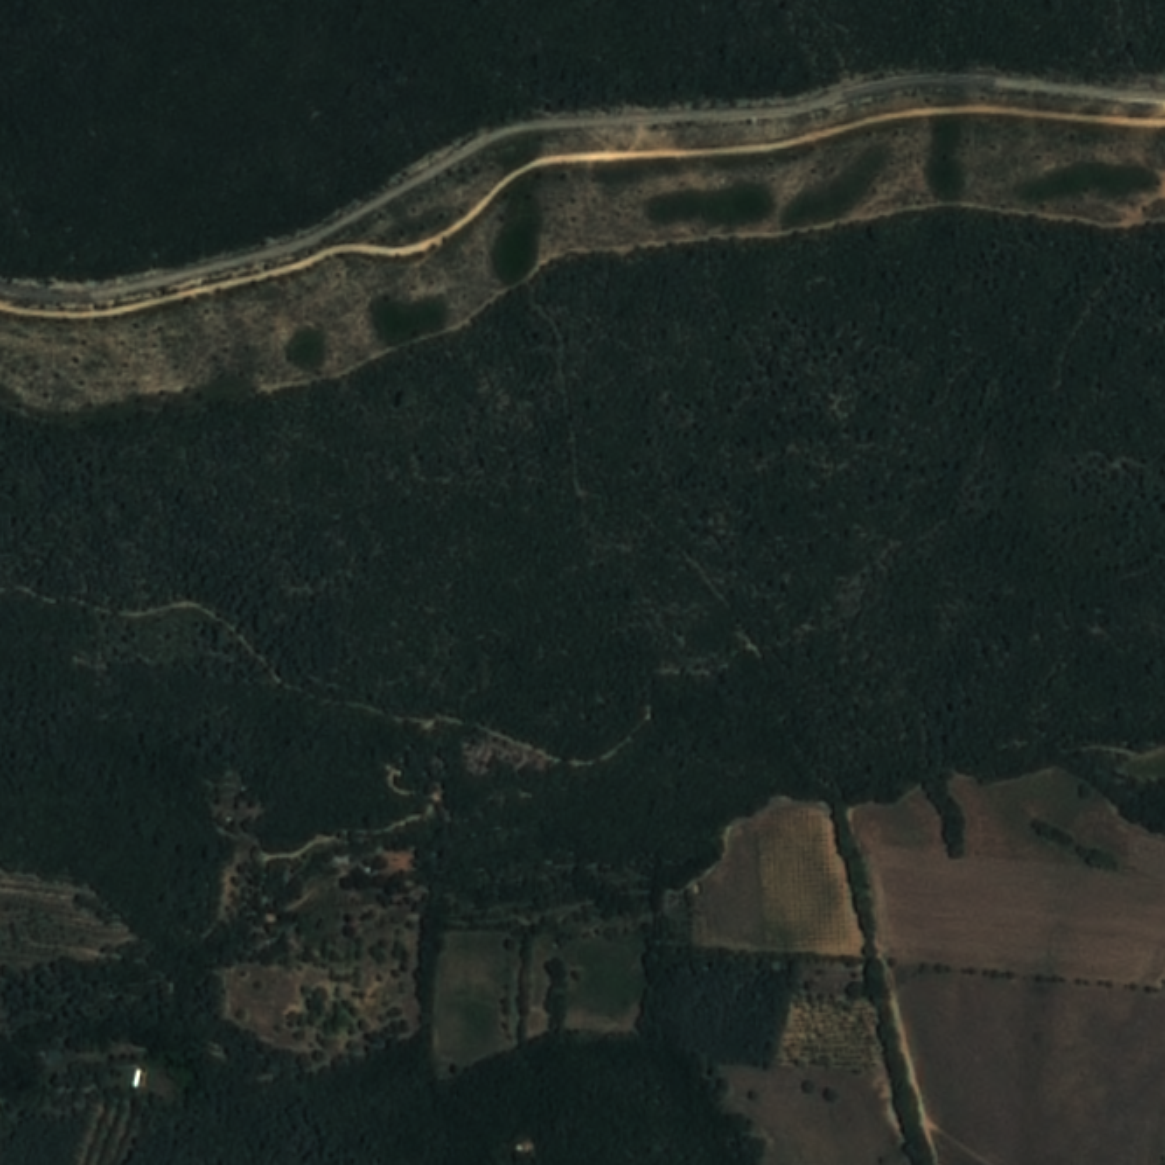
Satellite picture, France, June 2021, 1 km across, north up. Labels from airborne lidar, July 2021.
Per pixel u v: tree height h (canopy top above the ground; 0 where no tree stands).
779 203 0
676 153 0
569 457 7
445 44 9
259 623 13
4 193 6
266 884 7
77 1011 16
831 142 0
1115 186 0
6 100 7
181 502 14
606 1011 0
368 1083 11
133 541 7
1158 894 0
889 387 9
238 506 6
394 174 7
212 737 12
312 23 6
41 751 11
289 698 7
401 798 7
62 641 8
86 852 7
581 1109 10
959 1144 0
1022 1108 0
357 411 6
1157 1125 0
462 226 0
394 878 9
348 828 8
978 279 11
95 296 0
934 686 8
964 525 6
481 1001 0
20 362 0
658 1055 17
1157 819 6
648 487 8
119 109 5
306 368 0
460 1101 12
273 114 5
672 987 13
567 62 8
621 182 0
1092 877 0
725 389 8
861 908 10
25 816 11
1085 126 0
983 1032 0
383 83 7
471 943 0
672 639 6
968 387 10
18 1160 12
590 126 0
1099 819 0
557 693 6
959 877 0
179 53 5
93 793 12
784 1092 0
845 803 7
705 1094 13
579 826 9
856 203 0
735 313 7
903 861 0
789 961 8
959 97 0
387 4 10
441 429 7
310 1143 7
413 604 7
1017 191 0
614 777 6
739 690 10
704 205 0
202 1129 9
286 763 7
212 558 6
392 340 0
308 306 0
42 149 6
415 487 6
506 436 8
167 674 6
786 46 6
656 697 9
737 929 0
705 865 16
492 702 7
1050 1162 0
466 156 0
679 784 8
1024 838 0
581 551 7
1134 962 0
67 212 6
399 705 6
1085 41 6
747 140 0
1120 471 12
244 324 0
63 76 6
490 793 6
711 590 7
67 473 6
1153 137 0
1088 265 13
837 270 6
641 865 9
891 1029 10
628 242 0
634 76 7
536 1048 12
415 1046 14
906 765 9
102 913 7
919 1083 0
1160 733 6
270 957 11
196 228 7
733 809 9
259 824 7
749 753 8
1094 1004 0
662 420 7
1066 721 5
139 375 0
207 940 6
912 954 0
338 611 7
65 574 8
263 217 5
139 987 8
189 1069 9
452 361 7
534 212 0
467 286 0
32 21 6
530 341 10
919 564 6
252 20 5
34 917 6
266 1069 10
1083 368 6
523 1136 12
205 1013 13
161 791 8
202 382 0
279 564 6
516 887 7
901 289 13
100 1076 12
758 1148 11
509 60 6
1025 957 0
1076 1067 0
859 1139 0
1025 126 0
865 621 7
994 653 12
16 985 16
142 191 6
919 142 0
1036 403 11
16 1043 10
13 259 5
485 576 8
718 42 6
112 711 7
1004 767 8
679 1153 9
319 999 9
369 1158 7
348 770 7
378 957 6
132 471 8
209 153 6
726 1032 10
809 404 11
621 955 0
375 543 6
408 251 0
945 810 12
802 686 7
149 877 7
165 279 0
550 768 6
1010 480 9
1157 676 10
